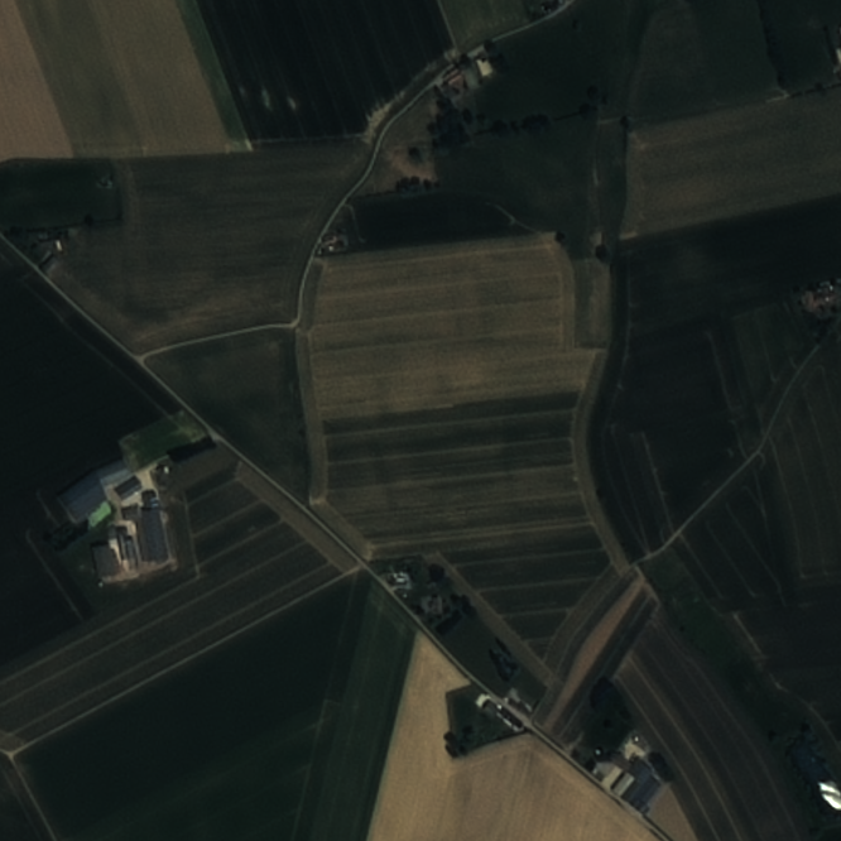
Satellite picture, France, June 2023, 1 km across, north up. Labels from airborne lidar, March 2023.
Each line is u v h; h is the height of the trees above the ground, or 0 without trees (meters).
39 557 0
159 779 0
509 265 0
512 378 0
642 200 0
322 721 0
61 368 0
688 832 0
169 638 0
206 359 0
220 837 0
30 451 0
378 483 0
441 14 0
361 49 0
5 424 0
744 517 0
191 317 0
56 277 0
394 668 0
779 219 0
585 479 0
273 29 0
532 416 0
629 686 0
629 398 0
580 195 0
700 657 0
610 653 0
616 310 0
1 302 0
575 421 0
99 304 0
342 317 0
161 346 0
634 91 0
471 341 0
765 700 0
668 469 0
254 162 0
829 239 0
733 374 0
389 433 0
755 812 0
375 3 0
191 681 0
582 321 0
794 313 0
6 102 0
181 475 0
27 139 0
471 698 0
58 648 0
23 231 9
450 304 0
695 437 0
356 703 0
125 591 0
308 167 0
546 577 0
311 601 0
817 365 0
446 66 0
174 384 0
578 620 0
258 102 0
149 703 0
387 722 0
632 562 0
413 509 0
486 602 0
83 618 0
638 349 0
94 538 0
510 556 0
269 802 0
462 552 0
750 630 0
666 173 0
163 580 0
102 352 0
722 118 0
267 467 0
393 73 0
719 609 0
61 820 0
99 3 0
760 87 0
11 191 0
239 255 0
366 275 0
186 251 0
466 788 0
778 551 0
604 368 0
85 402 0
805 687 0
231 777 0
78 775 0
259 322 0
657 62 0
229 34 0
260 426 0
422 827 0
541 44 0
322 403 0
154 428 0
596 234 0
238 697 0
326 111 0
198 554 0
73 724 0
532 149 0
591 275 0
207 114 0
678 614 0
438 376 0
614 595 0
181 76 0
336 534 0
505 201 0
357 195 0
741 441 0
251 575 0
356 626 0
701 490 0
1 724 0
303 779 0
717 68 0
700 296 0
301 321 0
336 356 0
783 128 0
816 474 0
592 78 0
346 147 0
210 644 0
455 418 0
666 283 0
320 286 0
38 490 0
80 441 0
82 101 0
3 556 0
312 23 0
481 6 0
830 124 0
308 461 0
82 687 0
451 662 0
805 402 0
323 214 0
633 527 0
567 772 0
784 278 0
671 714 0
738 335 0
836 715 0
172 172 0
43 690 0
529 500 0
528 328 0
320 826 0
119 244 0
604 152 0
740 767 0
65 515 0
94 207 0
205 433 0
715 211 0
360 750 0
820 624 0
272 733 0
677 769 0
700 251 0
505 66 16
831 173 0
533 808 0
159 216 0
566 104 0
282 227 0
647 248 0
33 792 0
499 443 0
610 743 0
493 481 0
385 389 0
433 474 0
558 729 0
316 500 0
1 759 0
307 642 0
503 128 16
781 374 0
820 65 0
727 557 0
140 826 0
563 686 0
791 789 0
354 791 0
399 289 0
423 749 0
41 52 0
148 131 0
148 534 0
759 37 0
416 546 0
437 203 0
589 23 0
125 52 0
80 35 0
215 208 0
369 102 0
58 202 0
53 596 0
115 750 0
